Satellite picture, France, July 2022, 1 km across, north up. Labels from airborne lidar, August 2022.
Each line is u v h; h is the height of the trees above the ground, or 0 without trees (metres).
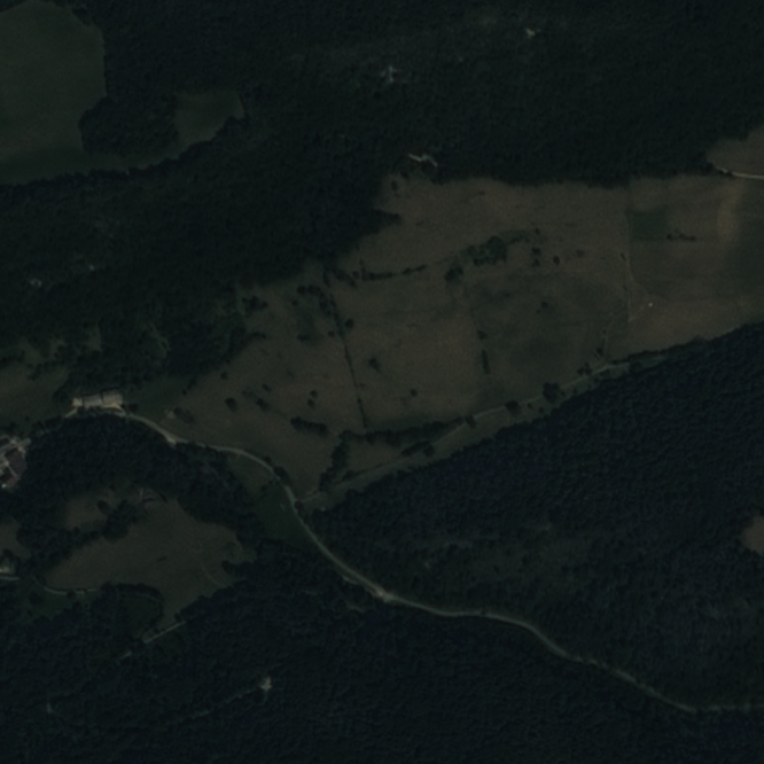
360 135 15
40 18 0
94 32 0
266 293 0
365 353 0
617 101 11
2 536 0
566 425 23
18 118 0
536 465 23
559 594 7
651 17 10
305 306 0
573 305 0
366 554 12
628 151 16
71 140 0
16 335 22
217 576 0
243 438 0
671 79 11
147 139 17
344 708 24
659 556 9
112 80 15
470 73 9
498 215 0
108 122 14
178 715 14
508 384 0
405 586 18
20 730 26
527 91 9
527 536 10
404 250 0
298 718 21
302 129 19
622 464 17
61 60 0
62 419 7
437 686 21
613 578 27
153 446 26
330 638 28
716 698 28
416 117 12
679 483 7
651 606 12
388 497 16
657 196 0
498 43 9
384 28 7
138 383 16
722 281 0
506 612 8
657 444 14
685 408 17
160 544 0
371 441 16
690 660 28
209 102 0
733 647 10
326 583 18
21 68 0
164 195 10
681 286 0
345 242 20
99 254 13
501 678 21
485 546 14
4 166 0
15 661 22
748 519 18
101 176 17
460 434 0
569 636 27
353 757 24
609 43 8
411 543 7
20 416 0
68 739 25
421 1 21
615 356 0
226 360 6
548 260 0
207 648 21
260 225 26
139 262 19
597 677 7
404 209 0
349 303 0
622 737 27
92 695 22
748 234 0
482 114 11
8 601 18
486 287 0
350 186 22
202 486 32
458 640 12
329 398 0
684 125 16
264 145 9
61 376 0
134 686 10
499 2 14
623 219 0
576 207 0
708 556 23
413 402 0
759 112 18
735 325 0
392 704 26
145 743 16
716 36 15
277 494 0
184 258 26
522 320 0
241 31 16
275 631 23
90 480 17
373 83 10
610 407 16
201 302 12
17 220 14
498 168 22
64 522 0
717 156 0
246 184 18
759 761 28
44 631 29
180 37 12
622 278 0
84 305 21
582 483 11
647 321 0
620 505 16
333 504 0
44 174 0
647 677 20
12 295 17
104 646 24
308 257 8
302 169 26
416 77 10
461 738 23
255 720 18
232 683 15
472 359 0
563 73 8
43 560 12
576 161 18
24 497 11
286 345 0
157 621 10
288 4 13
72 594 10
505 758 21
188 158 17
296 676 19
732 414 21
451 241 0
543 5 19
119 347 8
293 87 13
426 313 0
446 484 23
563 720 24
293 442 0
